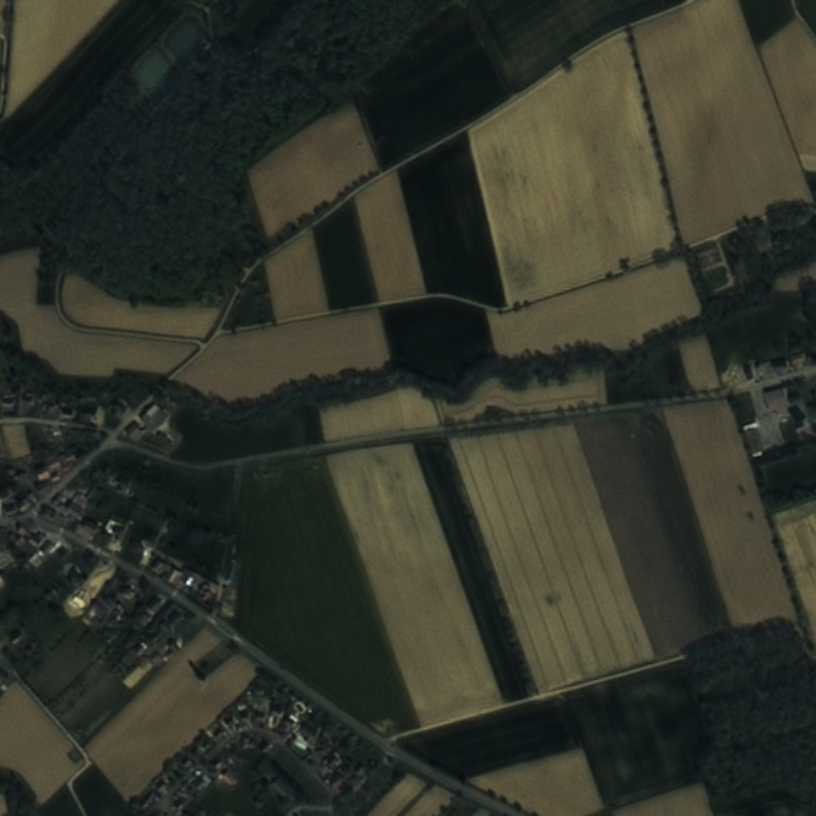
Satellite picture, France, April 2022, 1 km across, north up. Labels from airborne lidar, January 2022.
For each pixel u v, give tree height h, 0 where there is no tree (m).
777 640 21
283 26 24
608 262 0
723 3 0
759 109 0
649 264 0
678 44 0
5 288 0
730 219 0
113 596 7
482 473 0
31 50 0
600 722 0
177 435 0
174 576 0
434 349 0
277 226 0
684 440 0
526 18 0
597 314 0
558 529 0
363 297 0
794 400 8
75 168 27
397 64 0
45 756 0
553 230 0
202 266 32
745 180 0
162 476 0
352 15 28
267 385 0
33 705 0
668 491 0
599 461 0
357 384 21
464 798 12
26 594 0
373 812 0
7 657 11
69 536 0
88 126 23
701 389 0
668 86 0
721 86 0
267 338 0
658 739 0
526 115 0
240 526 0
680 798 0
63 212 22
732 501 0
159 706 0
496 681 0
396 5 35
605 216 0
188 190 31
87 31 0
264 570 0
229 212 30
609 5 0
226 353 0
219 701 0
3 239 0
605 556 0
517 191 0
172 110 25
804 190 0
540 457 0
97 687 0
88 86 0
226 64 29
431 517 0
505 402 0
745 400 0
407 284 0
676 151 0
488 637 0
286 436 0
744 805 0
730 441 0
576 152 0
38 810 15
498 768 0
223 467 0
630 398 0
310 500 0
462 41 0
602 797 0
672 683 0
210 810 0
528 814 0
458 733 0
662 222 0
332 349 0
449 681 0
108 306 0
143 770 0
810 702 32
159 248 34
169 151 37
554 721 0
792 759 32
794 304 0
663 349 22
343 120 0
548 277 0
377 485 0
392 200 0
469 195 0
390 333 0
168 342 0
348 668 0
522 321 0
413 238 0
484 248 0
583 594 0
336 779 0
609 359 20
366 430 0
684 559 0
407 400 0
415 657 0
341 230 0
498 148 0
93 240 27
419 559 0
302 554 0
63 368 0
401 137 0
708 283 0
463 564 0
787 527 0
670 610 0
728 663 29
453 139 0
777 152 0
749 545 0
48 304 0
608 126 0
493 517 0
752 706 33
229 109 35
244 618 0
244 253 0
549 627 0
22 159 0
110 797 0
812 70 0
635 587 0
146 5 0
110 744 0
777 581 0
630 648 0
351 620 0
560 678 0
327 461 0
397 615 0
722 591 0
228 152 33
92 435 14
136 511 15
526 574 0
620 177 0
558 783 0
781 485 0
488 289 0
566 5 0
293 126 16
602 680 0
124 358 0
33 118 0
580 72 0
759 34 0
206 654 0
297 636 0
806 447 12
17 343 0
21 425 0
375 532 0
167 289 20
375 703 0
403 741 0
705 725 0
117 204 35
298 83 29
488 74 0
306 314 0
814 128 0
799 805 0
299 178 0
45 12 0
